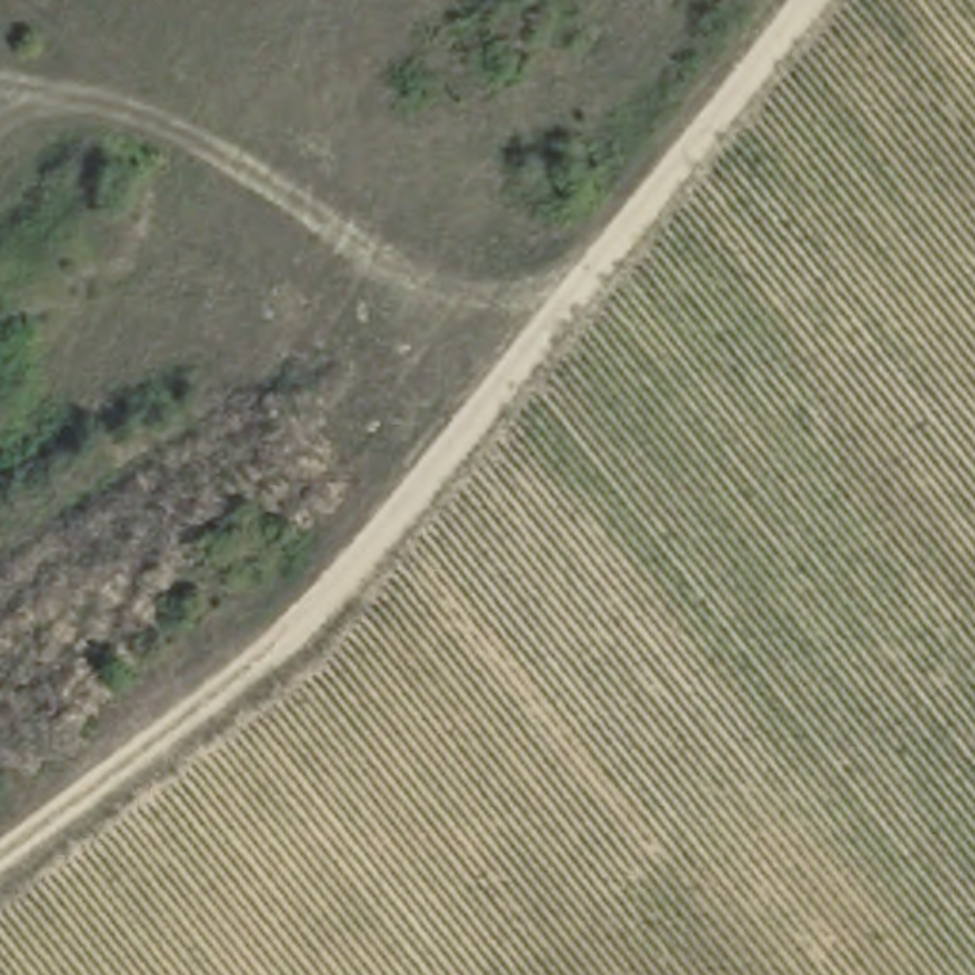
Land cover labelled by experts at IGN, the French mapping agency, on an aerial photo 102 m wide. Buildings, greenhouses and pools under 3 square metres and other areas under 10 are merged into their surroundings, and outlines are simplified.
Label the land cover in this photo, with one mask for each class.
<instances>
[{"label":"vineyard","instance_id":"1","mask_svg":"<svg viewBox=\"0 0 975 975\"><path fill-rule=\"evenodd\" d=\"M0 975H975V0H830L823 15L773 65V76L758 88V95H750L735 122L724 133H716V156L697 160L689 168V175L674 187L667 209L636 236V244L613 263V270L602 274L598 293L587 305L571 308V316L552 331L548 354L529 369L514 400L499 408L488 430L438 484L430 503L404 526V533L354 587V594L312 632V640L301 644L278 667H270L202 727L183 735L164 758H156L126 785L107 792L91 811H84L76 823L57 830L46 846H38L30 857H23L15 868L0 876Z\"/></svg>","mask_w":975,"mask_h":975},{"label":"herbaceous vegetation","instance_id":"2","mask_svg":"<svg viewBox=\"0 0 975 975\"><path fill-rule=\"evenodd\" d=\"M72 114L84 122L126 126L156 145V156L129 179V190L118 209H84L76 217V240L65 244L72 270H42V278L30 286L23 312L30 316L27 354L30 362L42 358L38 388L65 411H99L122 385H137L141 377L168 366H187L190 385L187 400L160 427H122L114 434L103 430L88 438L76 453L53 457V476L46 484L0 503V834L46 800H53L84 769L103 762L133 731L164 716L179 697L198 689L259 632H267L301 594L282 575H274L270 590L255 594L229 587L217 609H206L202 628L187 632L183 625H175L179 632L171 644L179 651L164 667L149 670L133 689L118 693L103 682L110 674V663L133 647L129 632L152 621L156 598L168 606L187 602L194 594L190 583H175V575L183 571V545L209 533H232L244 499H251L267 507L259 526L293 522L308 537V560L324 571L362 533L373 510L392 495V488L415 468L430 442L449 427L468 392L488 377L503 350L518 339V331L537 316L545 293L564 278L567 267L526 274L518 282H476L465 274L419 267L392 244L369 236L358 221L320 202L308 187L270 168L267 160L209 133L206 126H194L190 118L160 103H149L118 88L50 80L0 65V137L34 118Z\"/></svg>","mask_w":975,"mask_h":975},{"label":"agricultural land","instance_id":"3","mask_svg":"<svg viewBox=\"0 0 975 975\"><path fill-rule=\"evenodd\" d=\"M457 0H0V65L50 80L118 88L149 103H160L190 118L194 126H206L209 133L267 160L270 168L308 187L320 202L358 221L369 236L392 244L419 267L465 274L476 282H518L526 274L567 267L590 248V240L613 217L609 209H598L575 229L537 221L526 209L503 202V164L526 168V160H541L545 168H564L567 129H560L556 122L571 107H579L583 114H606L617 103H628L640 88L655 84L670 53L682 46L689 0H575V46L560 50L556 38L545 46L533 38L522 84H503L491 103L468 95L449 107L427 103L404 118H392L388 99L396 91L385 80L388 65L408 53L415 23L446 11Z\"/></svg>","mask_w":975,"mask_h":975},{"label":"brushwood","instance_id":"4","mask_svg":"<svg viewBox=\"0 0 975 975\"><path fill-rule=\"evenodd\" d=\"M533 38L545 46L556 38L560 50L575 46V0H457L446 11L415 23L408 53L388 65L385 80L396 91L388 99L392 118H404L427 103L449 107L468 95L491 103L503 84H522ZM758 0H689L682 46L670 53L655 84L640 88L628 103H617L606 114H583L579 107H571L556 122L560 129H567L564 168H545L541 160H526V168L503 164V202L526 209L537 221L575 229L598 209H609L613 217L632 198V190L651 175L663 152L682 137L693 114L716 95L727 72L743 61V53L758 42L762 30L750 23V11ZM156 156V145L126 126L84 122L72 114L34 118L0 137V503L46 484L53 476V457L76 453L88 438L103 430L114 434L122 427H160L187 400L190 385L187 366H168L141 377L137 385H122L99 411H65L38 388L42 358L30 362L27 354L30 316L23 312L30 286L42 278V270H72L65 244L76 240V217L84 209H118L129 190V179ZM267 507L251 499H244L232 533H209L183 545V571L175 575V583H190L194 594L187 602L168 606L156 598L152 621L129 632L133 647L110 663V674L103 682L118 693L133 689L149 670L164 667L179 651L171 644L179 632L175 625H183L187 632L202 628L206 609H217L229 587L255 594L270 590L274 575H282L301 594L324 571L308 560V537L293 522L259 526Z\"/></svg>","mask_w":975,"mask_h":975},{"label":"pervious surface","instance_id":"5","mask_svg":"<svg viewBox=\"0 0 975 975\"><path fill-rule=\"evenodd\" d=\"M830 0H758L750 11V23L762 30L758 42L743 53V61L727 72L716 95L693 114L682 137L663 152L651 175L632 190V198L590 240V248L567 267L564 278L545 293L537 316L518 331V339L503 350L488 377L468 392L449 427L430 442L415 468L392 488V495L373 510L362 533L301 594L267 632H259L198 689L179 697L164 716L133 731L103 762L84 769L53 800H46L0 834V876L15 868L23 857H30L38 846H46L57 830L76 823L84 811H91L107 792L126 785L156 758H164L183 735L202 727L270 667H278L301 644L312 640V632L354 594V587L404 533V526L430 503L438 484L488 430L499 408L514 400L529 369L548 354L552 331L571 316V308L587 305L598 293L602 274L613 270V263L636 244V236L667 209L674 187L689 175V168L697 160L716 156V133H724L735 122L750 95H758V88L773 76V65L823 15Z\"/></svg>","mask_w":975,"mask_h":975}]
</instances>
